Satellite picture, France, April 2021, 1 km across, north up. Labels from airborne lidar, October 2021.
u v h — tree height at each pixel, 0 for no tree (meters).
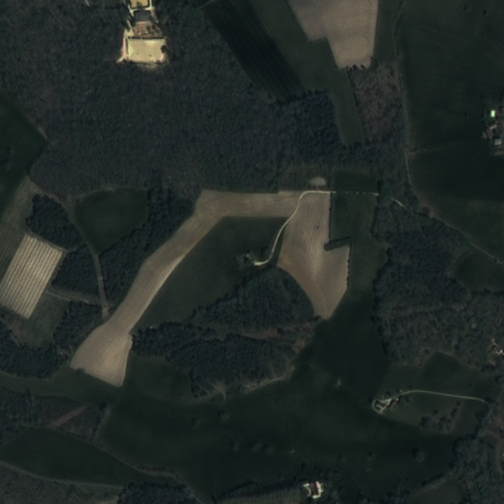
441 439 0
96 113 24
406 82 0
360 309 0
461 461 17
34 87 19
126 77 16
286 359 25
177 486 0
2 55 22
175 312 0
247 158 18
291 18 0
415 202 19
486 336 22
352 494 0
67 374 0
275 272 21
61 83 14
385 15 0
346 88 0
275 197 0
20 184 0
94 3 17
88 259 12
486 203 0
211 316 23
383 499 0
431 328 15
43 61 14
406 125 22
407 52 0
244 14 0
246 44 0
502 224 0
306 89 0
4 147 0
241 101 21
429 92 0
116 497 0
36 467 0
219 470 0
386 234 19
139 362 0
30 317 0
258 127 21
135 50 0
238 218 0
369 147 16
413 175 0
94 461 0
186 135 13
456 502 0
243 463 0
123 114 18
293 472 0
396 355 22
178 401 0
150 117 17
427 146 0
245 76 14
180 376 0
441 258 23
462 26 0
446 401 0
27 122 0
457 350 12
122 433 0
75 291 14
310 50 0
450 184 0
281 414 0
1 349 9
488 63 0
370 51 0
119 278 17
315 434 0
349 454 0
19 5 18
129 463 8
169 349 20
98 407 0
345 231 0
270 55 0
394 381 0
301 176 0
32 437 0
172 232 18
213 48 20
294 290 25
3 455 0
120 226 0
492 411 20
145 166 20
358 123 0
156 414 0
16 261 0
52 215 21
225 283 0
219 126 19
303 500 17
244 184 21
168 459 0
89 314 14
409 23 0
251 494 0
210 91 17
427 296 22
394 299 22
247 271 0
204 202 0
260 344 17
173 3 18
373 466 0
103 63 18
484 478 18
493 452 18
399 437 0
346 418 0
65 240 14
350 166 18
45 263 0
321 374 0
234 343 24
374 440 0
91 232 0
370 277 0
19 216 0
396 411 0
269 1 0
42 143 0
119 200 0
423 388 0
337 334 0
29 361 9
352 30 0
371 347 0
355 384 0
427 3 0
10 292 0
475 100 0
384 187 21
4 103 0
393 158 17
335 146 21
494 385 0
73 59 25
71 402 6
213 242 0
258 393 0
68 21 18
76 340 15
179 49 19
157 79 14
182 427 0
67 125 18
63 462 0
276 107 11
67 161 16
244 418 0
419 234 20
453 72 0
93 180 18
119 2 0
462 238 22
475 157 0
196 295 0
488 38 0
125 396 0
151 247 19
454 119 0
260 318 25
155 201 16
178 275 0
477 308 16
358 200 0
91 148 20
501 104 9
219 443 0
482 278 0
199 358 20
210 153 20
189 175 19
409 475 0
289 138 20
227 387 14
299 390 0
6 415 18
